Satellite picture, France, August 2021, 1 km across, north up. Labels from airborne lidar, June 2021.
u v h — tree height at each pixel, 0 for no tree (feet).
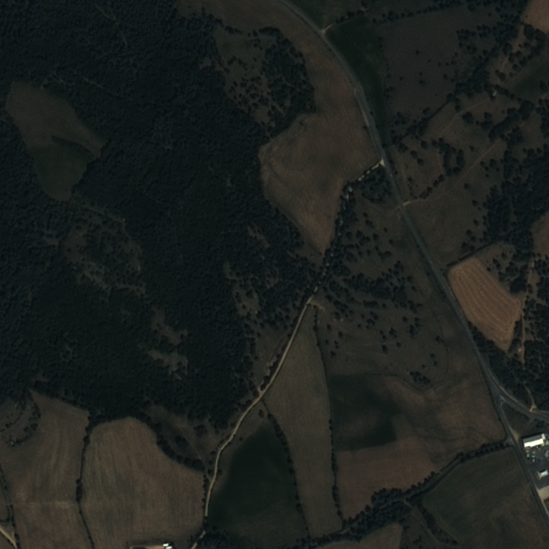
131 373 34
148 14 56
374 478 0
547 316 18
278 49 29
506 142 23
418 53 22
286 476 0
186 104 49
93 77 29
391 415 0
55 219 21
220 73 28
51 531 0
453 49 0
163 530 0
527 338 0
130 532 0
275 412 0
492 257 0
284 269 44
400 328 0
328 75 0
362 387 0
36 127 0
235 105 37
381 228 0
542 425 18
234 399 25
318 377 0
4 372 41
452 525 0
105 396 50
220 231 35
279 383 0
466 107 0
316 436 0
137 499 0
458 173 28
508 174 23
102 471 0
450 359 0
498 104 0
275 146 0
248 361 32
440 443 0
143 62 36
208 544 45
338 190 0
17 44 39
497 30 37
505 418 0
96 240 30
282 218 46
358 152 0
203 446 0
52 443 0
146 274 32
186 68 39
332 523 0
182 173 33
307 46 0
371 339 0
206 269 34
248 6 0
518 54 31
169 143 38
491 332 0
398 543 0
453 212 0
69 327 41
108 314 41
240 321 44
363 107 0
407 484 0
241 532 0
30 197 45
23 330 38
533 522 0
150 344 23
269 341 0
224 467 0
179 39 54
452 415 0
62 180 0
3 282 62
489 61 30
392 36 0
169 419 0
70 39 40
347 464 0
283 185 0
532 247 33
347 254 37
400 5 0
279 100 32
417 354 0
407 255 0
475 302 0
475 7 36
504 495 0
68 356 35
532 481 0
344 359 0
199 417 33
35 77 37
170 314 27
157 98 39
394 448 0
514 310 0
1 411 0
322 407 0
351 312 20
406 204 0
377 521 37
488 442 0
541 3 0
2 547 0
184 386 40
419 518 0
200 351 29
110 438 0
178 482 0
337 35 0
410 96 0
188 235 28
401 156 0
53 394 47
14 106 0
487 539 0
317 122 0
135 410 56
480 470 0
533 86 0
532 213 35
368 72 0
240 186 34
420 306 26
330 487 0
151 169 24
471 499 0
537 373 29
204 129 42
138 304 34
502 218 33
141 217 31
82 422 0
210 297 38
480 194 0
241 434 0
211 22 40
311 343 0
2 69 26
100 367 36
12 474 0
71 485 0
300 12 0
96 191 59
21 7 41
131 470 0
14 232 27
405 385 0
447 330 0
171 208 26
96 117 50
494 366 38
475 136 0
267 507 0
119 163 39
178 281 41
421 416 0
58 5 49
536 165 44
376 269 0
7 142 37
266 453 0
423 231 0
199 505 0
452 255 0
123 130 37
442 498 0
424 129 30
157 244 56
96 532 0
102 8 25
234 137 56
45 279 55
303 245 33
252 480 0
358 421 0
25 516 0
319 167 0
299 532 0
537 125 0
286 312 23
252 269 28
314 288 31
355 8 0
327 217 0
